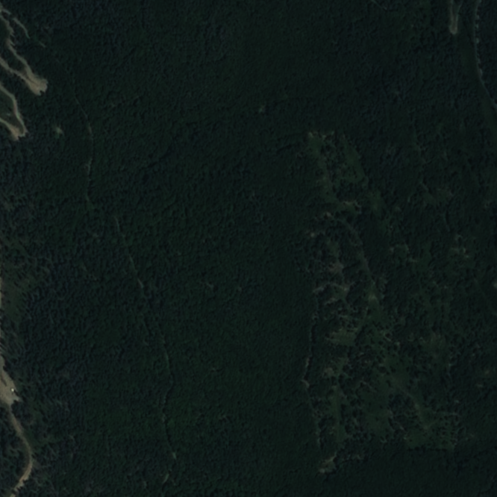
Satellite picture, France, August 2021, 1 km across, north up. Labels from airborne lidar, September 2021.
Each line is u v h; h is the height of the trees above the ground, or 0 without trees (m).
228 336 23
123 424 15
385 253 27
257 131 24
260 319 18
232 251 25
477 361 20
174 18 24
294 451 24
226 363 21
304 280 30
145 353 23
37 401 10
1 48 22
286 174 28
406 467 20
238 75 11
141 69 25
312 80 20
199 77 26
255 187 25
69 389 20
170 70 25
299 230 28
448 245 19
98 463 12
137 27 23
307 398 29
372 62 29
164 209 12
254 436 19
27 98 18
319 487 26
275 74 19
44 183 18
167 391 20
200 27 21
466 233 18
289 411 27
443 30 10
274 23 24
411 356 22
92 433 21
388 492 27
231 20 27
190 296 21
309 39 18
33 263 28
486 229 7
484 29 31
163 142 26
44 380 23
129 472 26
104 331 21
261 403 28
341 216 27
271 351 19
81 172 14
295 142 25
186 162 24
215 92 23
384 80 26
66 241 17
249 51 18
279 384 28
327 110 23
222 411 28
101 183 23
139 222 24
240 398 22
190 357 17
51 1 24
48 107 12
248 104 28
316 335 30
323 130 28
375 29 18
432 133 28
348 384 22
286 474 25
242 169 32
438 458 22
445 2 24
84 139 15
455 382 15
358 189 9
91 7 25
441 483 24
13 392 0
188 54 21
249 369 26
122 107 28
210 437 26
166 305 27
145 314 22
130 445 28
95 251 23
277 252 24
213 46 27
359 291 27
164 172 9
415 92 32
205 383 24
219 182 12
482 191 16
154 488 22
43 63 15
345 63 30
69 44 18
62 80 19
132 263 17
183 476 22
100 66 18
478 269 14
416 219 27
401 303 22
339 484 25
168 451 15
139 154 17
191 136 14
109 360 28
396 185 19
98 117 17
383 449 19
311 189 29
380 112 29
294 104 26
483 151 8
